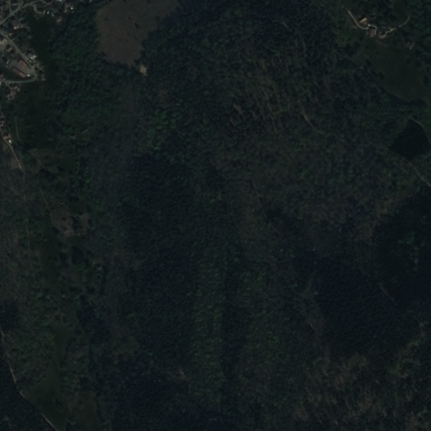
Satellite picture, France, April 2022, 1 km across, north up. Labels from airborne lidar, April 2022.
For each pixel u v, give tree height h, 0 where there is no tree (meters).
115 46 0
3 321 28
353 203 26
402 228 19
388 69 0
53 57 11
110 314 20
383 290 15
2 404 22
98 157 21
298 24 20
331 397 18
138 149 24
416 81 0
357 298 31
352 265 14
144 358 25
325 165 30
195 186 17
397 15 0
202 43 26
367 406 21
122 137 19
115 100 16
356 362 22
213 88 16
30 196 24
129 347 24
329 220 10
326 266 25
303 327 21
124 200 20
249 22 23
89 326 25
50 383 0
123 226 20
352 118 20
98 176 20
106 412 14
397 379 26
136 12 0
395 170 29
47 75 0
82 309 11
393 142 14
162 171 24
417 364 28
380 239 15
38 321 10
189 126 19
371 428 26
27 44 0
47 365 16
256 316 21
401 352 20
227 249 19
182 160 19
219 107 19
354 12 15
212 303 23
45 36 0
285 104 26
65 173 9
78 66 17
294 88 26
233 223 13
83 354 9
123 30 0
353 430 23
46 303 24
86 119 19
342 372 23
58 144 17
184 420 16
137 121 22
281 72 26
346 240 16
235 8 23
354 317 27
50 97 11
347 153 11
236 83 21
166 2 0
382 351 24
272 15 19
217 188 26
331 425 24
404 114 26
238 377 27
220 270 18
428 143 13
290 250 20
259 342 23
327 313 25
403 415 27
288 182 15
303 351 19
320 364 16
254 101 25
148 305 19
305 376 17
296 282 15
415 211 19
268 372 18
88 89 17
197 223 19
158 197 21
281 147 21
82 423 0
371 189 26
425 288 17
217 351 22
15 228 26
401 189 15
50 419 0
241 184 20
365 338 24
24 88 7
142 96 22
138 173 26
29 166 23
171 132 18
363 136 15
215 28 24
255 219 16
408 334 25
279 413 21
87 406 0
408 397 24
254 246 20
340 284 26
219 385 19
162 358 19
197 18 21
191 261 19
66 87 0
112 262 25
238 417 21
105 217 15
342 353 23
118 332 20
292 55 25
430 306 18
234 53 22
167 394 21
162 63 15
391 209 20
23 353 22
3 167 24
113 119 21
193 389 20
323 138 11
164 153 22
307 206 27
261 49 22
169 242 13
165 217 20
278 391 18
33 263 15
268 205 16
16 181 29
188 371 15
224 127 22
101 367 19
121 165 22
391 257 15
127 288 12
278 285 18
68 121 7
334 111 11
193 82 20
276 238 17
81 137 0
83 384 26
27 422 25
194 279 20
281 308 16
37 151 0
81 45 21
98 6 9
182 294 20
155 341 19
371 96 28
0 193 24
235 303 24
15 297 18
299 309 19
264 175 19
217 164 15
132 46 0
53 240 0
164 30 14
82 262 28
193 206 13
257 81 26
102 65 13
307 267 28
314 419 20
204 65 22
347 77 13
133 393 17
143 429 15
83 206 0
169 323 19
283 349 20
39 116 0
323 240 20
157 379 22
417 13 29
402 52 0
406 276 18
